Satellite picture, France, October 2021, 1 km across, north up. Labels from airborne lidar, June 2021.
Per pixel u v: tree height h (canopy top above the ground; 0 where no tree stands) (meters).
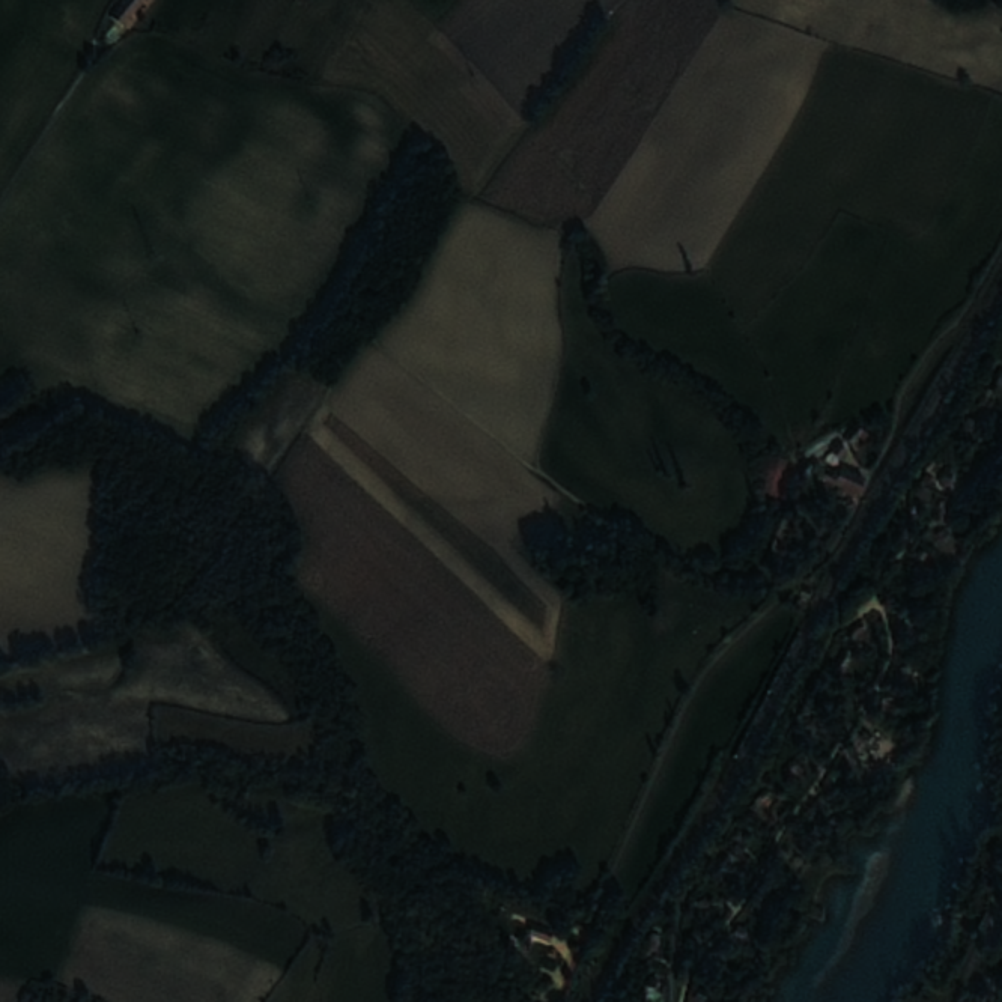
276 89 0
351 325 21
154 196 0
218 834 0
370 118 0
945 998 0
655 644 0
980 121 0
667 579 0
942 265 0
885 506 10
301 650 23
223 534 9
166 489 18
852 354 0
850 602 15
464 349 0
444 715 0
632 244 0
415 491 0
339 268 0
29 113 0
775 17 0
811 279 0
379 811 20
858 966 0
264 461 0
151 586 19
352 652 0
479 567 0
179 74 0
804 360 0
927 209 0
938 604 21
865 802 19
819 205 0
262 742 0
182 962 0
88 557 0
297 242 0
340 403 0
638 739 0
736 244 0
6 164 0
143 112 0
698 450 0
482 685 0
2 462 21
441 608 0
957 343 0
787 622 0
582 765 0
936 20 0
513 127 0
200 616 16
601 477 0
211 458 16
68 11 0
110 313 0
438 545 0
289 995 0
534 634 0
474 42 0
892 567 21
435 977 24
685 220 0
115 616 22
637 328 0
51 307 0
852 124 0
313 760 11
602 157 0
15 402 21
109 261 0
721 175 0
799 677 20
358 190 0
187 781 16
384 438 0
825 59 0
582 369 0
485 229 0
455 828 0
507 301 0
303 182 0
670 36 0
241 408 18
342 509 0
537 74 0
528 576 0
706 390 15
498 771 0
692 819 9
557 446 0
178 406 0
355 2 0
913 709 20
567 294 0
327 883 0
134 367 0
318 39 0
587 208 0
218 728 0
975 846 10
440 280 0
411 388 0
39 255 0
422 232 22
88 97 0
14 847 0
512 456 0
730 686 0
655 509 0
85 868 0
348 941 0
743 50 0
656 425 0
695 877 18
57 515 0
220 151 0
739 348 0
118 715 0
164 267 0
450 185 22
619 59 0
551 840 0
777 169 0
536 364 0
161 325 0
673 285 0
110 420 21
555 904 13
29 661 19
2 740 0
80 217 0
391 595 0
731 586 18
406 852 20
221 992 0
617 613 0
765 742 15
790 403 0
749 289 0
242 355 0
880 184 0
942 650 18
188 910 0
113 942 0
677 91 0
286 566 23
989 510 18
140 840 0
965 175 0
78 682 0
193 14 0
